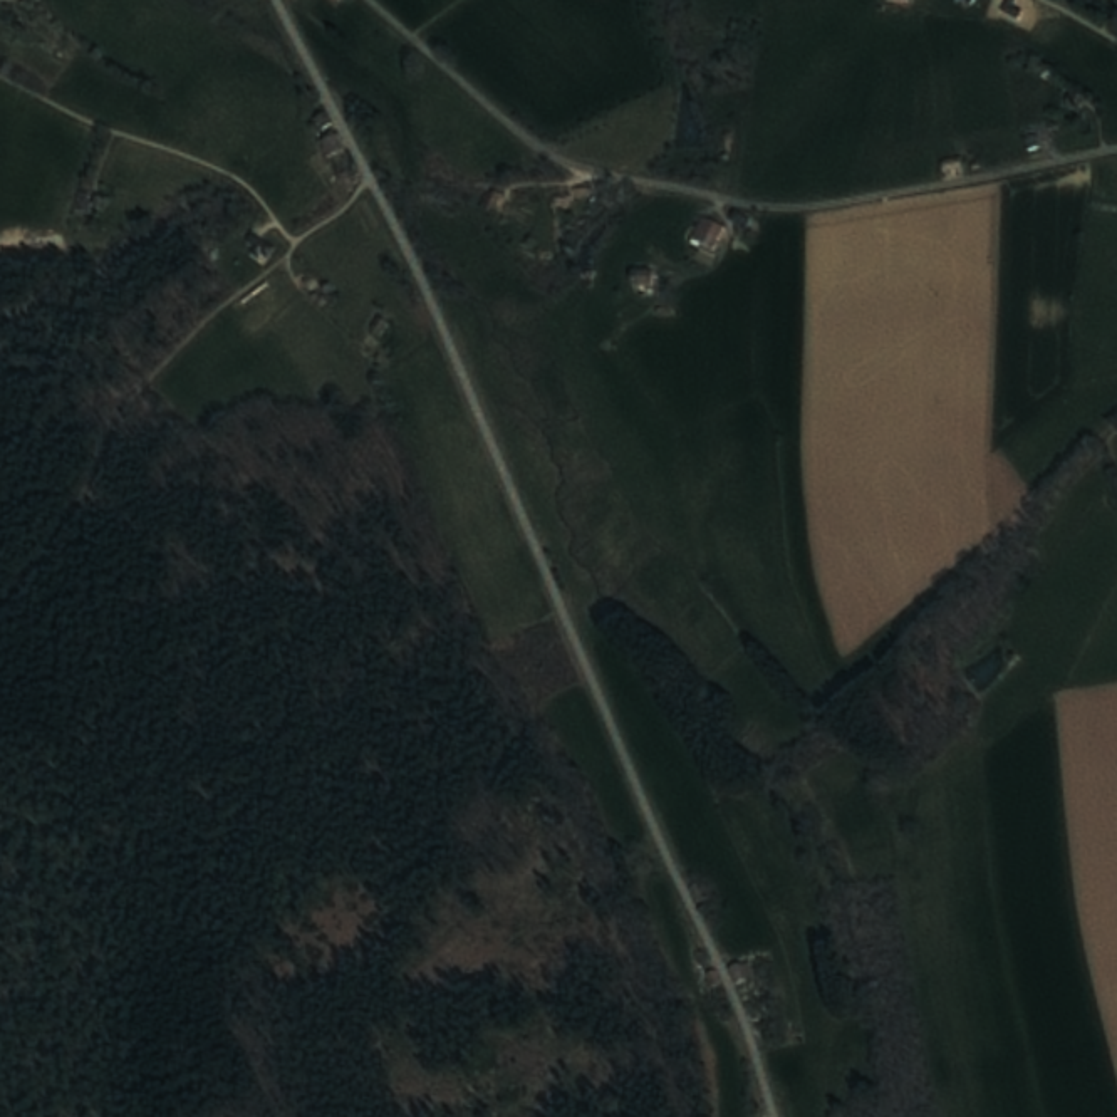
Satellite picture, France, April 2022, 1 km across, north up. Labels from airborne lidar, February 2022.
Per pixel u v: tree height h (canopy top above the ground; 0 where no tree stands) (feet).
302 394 0
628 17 0
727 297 0
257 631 88
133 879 88
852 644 0
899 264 0
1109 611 0
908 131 0
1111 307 0
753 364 0
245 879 88
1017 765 0
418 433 0
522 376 0
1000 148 0
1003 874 0
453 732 89
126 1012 64
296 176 0
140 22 0
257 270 0
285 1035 103
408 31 0
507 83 0
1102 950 0
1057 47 0
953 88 0
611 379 0
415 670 52
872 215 0
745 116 0
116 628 90
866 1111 50
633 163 0
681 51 33
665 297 54
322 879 97
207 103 0
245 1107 68
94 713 85
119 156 0
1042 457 0
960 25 0
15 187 0
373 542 91
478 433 0
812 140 0
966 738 37
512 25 0
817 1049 0
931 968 0
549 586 0
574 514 0
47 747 86
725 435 0
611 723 0
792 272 0
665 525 0
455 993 105
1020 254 0
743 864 0
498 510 0
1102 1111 0
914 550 0
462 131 0
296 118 0
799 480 0
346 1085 100
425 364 0
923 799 0
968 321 0
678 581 0
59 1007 83
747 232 33
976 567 80
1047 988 0
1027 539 79
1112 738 0
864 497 0
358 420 51
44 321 65
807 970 0
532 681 0
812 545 0
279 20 0
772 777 87
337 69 0
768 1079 0
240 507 81
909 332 0
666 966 69
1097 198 0
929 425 0
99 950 47
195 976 89
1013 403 0
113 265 45
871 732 70
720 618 0
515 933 0
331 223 0
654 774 0
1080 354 0
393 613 81
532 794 110
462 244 0
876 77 0
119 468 95
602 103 0
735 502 0
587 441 0
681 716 85
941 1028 0
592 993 100
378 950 89
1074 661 0
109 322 64
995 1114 0
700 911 25
